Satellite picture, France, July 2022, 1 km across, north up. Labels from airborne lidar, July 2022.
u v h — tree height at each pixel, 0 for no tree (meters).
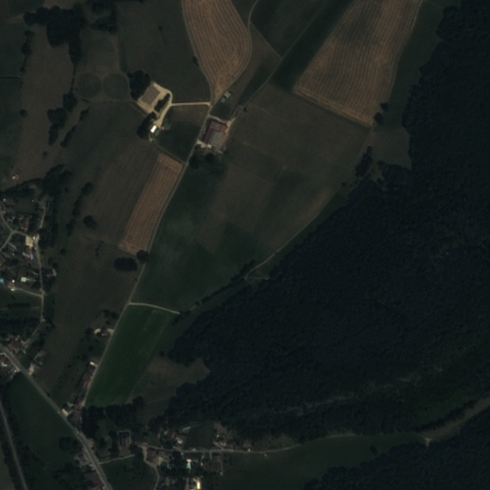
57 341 0
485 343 20
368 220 20
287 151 0
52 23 18
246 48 0
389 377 7
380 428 15
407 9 0
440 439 0
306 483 0
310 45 0
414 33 0
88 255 0
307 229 0
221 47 0
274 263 0
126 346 0
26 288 0
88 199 0
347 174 0
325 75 0
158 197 0
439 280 25
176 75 0
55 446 0
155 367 0
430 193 26
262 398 11
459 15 20
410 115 22
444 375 16
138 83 13
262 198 0
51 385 0
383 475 24
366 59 0
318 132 0
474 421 9
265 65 0
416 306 24
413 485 20
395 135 0
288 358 10
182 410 12
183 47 0
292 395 12
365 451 0
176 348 7
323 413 16
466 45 19
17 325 18
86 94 0
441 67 21
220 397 10
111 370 0
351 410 18
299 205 0
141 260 13
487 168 16
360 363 20
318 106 0
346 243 18
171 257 0
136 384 0
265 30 0
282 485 0
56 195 10
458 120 22
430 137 23
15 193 13
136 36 0
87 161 0
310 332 19
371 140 0
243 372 26
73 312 0
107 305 0
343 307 19
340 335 21
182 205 0
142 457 8
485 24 22
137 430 13
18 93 0
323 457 0
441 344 7
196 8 0
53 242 8
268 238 0
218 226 0
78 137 0
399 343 24
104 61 0
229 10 0
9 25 0
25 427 0
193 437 0
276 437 14
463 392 26
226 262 0
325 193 0
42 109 0
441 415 0
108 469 0
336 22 0
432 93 19
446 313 23
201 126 0
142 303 0
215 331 20
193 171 0
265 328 18
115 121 0
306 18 0
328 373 19
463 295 22
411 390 10
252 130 0
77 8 0
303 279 21
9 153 0
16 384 0
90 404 0
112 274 0
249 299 17
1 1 0
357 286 17
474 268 21
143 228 0
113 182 0
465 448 21
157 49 0
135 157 0
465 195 7
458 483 16
